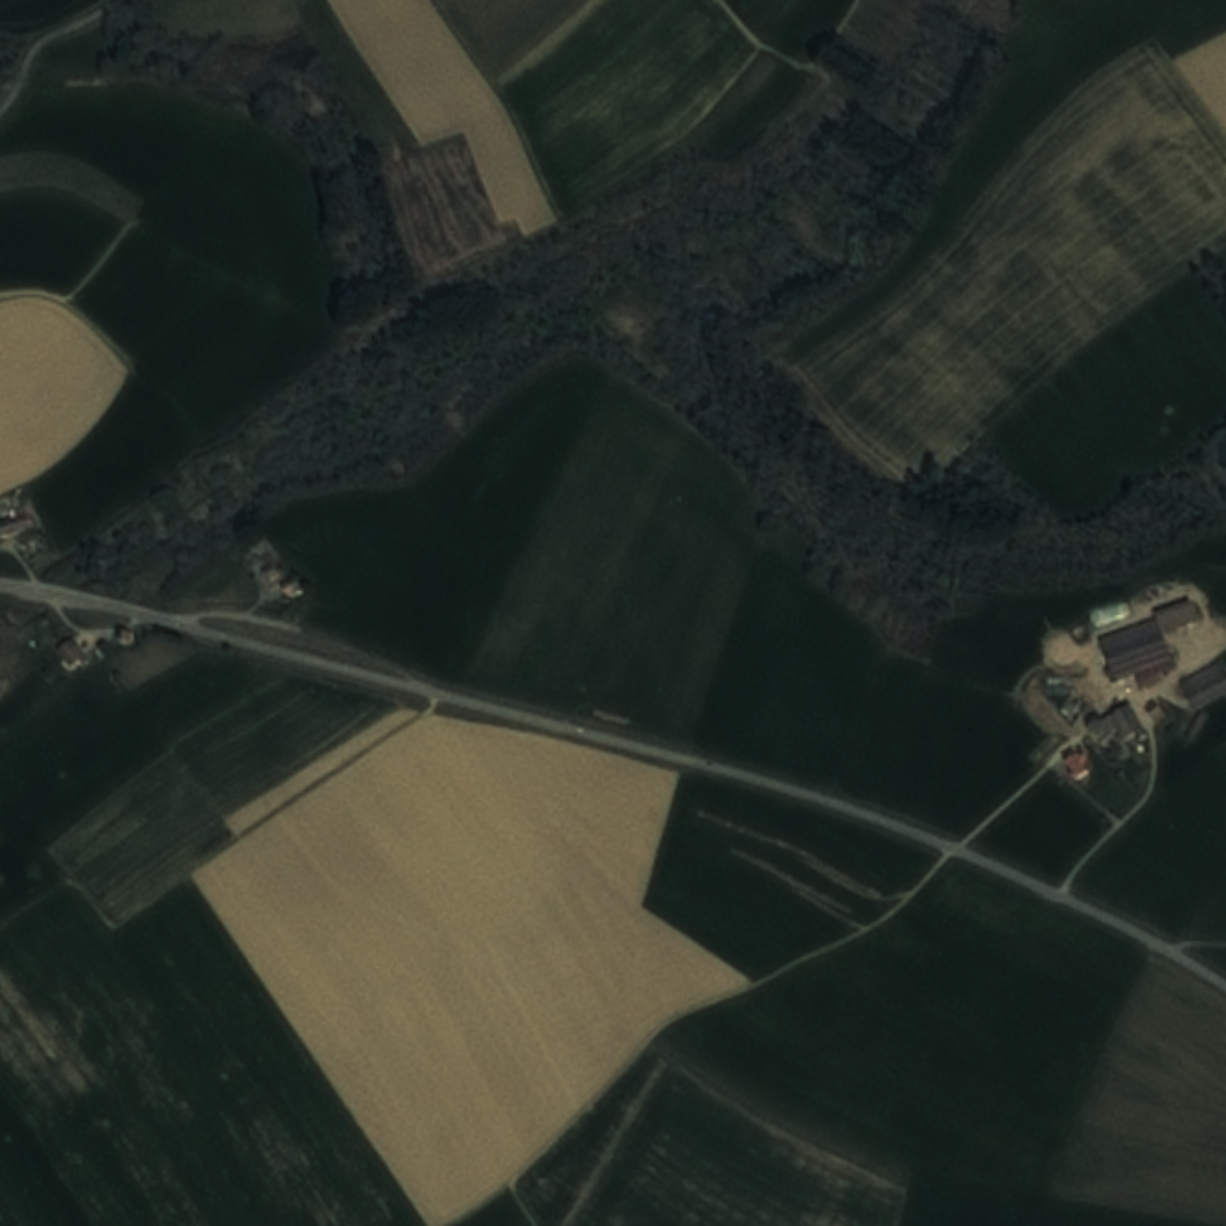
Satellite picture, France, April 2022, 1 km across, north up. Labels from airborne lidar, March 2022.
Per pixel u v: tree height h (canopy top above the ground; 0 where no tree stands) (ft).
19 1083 0
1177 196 0
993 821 0
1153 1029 0
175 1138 0
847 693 0
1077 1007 0
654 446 0
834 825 0
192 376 0
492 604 0
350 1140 0
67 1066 0
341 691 0
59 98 0
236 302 0
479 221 0
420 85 0
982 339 0
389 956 0
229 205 0
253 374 0
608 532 0
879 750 0
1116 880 0
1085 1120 0
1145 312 0
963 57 48
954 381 0
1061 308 0
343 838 0
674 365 29
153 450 0
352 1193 0
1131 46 0
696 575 0
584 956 0
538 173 0
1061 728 0
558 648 0
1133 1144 0
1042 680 0
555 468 0
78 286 0
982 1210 0
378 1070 0
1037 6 0
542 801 0
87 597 0
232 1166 0
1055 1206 0
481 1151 0
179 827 0
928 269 0
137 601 0
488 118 0
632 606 0
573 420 0
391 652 0
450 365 44
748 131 0
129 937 0
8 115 0
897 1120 0
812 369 0
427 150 0
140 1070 0
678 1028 0
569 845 0
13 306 0
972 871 0
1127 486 0
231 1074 0
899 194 104
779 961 0
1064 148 0
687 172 63
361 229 75
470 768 0
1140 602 0
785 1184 0
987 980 0
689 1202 0
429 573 0
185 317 0
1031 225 0
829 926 0
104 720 0
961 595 51
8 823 0
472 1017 0
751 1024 0
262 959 0
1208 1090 0
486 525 0
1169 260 0
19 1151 0
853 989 0
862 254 59
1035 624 0
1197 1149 0
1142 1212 0
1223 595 0
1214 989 0
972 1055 0
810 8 0
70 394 0
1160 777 0
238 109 0
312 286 0
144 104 0
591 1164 0
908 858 0
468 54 0
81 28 0
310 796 0
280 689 0
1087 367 0
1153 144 0
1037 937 0
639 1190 0
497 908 0
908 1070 0
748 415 69
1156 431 0
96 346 0
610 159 0
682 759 0
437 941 0
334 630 0
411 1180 0
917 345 0
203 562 54
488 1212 0
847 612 0
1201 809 0
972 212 0
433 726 0
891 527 66
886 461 0
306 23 0
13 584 0
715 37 0
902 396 0
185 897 0
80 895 0
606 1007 0
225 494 22
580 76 0
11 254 0
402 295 84
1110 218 0
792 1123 0
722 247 42
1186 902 0
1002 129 0
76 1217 0
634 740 0
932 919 0
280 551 0
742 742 0
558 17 0
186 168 0
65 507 0
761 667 0
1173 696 0
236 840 0
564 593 0
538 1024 0
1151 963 0
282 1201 0
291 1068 0
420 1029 0
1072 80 0
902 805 0
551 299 58
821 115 0
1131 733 0
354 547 0
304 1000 0
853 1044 0
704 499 0
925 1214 0
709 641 0
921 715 0
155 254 0
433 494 0
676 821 0
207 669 0
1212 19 0
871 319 0
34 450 0
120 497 0
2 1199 0
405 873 0
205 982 0
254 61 0
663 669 0
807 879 0
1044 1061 0
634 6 0
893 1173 0
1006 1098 0
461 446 0
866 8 0
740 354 88
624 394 0
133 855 0
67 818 0
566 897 0
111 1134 0
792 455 80
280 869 0
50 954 0
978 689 0
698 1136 0
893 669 0
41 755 0
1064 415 0
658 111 0
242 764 0
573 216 0
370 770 0
